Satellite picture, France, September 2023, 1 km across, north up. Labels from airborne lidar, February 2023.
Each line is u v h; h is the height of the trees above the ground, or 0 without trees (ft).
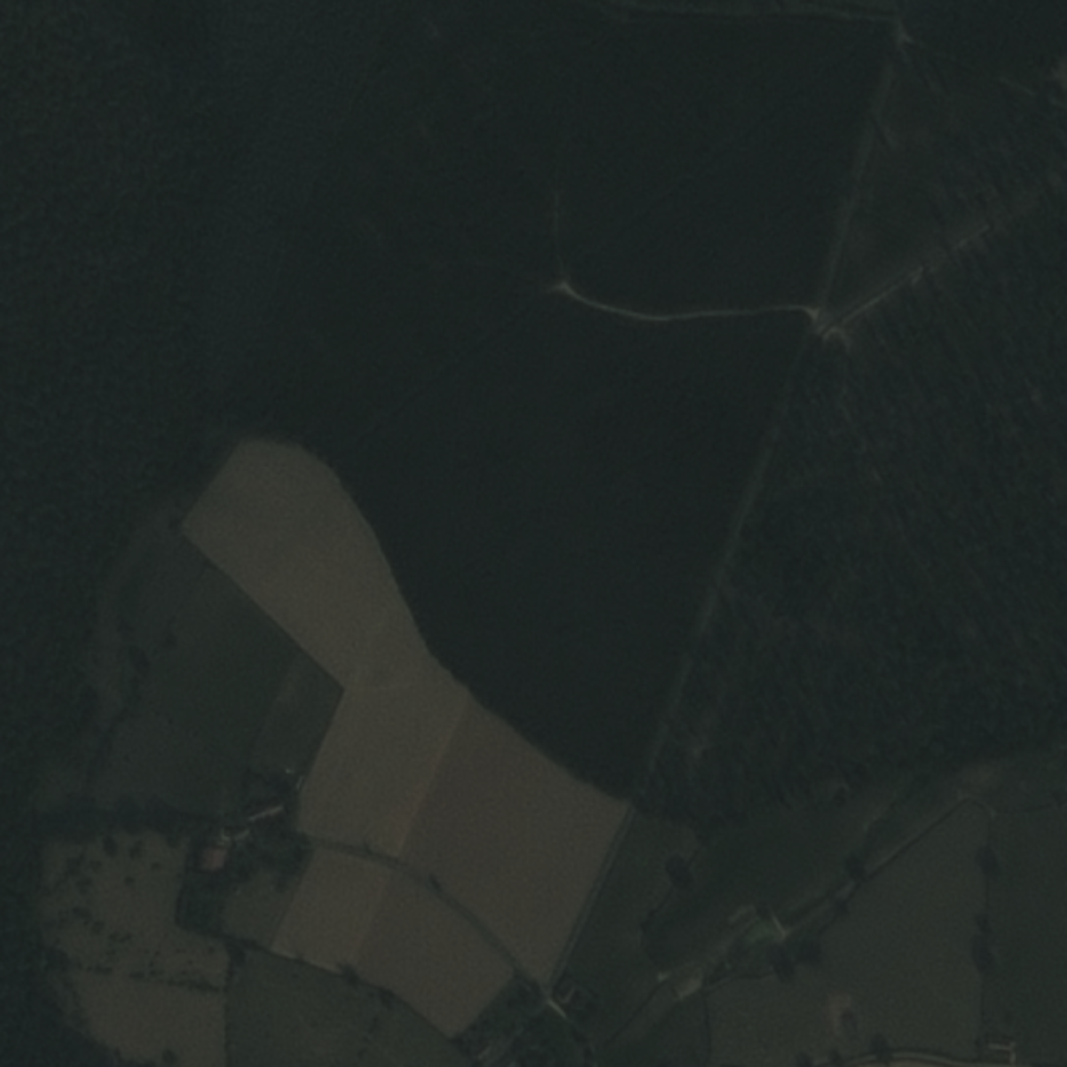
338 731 0
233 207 45
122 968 0
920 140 0
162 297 90
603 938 0
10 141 91
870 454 110
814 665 112
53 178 89
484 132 25
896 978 0
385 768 0
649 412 34
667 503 25
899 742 96
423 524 23
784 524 78
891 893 0
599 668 33
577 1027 36
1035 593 101
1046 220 0
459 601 22
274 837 26
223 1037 0
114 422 80
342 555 0
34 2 111
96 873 0
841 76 30
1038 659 92
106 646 0
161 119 90
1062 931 0
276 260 35
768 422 19
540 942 0
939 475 121
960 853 0
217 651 0
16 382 31
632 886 0
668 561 29
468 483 22
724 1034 0
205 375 45
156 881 0
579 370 25
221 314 39
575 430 24
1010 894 0
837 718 107
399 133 0
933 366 0
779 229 26
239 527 0
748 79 0
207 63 21
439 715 0
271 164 29
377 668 0
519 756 0
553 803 0
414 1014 0
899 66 95
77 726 50
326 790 0
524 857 0
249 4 59
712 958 0
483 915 0
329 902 0
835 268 0
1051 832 0
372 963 0
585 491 25
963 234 0
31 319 96
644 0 49
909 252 0
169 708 0
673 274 26
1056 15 75
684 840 0
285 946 0
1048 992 0
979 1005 0
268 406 33
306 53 40
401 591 29
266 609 0
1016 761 0
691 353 20
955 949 0
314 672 0
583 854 0
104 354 62
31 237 105
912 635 96
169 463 65
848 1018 0
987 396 108
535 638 32
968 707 40
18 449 91
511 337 21
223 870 28
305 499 0
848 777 94
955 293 0
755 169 32
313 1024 0
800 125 26
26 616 83
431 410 25
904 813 0
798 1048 0
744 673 120
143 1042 0
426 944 0
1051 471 110
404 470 24
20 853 78
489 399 19
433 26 0
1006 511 0
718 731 0
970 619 93
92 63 87
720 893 0
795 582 39
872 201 0
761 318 20
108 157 72
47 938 0
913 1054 0
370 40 40
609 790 30
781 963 65
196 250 45
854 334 0
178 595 0
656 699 24
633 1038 0
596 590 29
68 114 75
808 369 36
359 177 0
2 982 75
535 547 31
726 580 0
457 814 0
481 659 31
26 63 104
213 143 75
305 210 25
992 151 93
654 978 0
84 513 80
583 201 0
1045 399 108
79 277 80
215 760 0
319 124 44
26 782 73
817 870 0
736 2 66
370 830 0
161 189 83
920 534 0
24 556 94
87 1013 0
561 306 23
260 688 0
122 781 0
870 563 109
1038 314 106
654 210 23
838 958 0
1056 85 30
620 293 26
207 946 0
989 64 76
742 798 101
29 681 99
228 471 0
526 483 27
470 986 0
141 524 0
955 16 78
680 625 24
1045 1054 0
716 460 19
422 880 0
